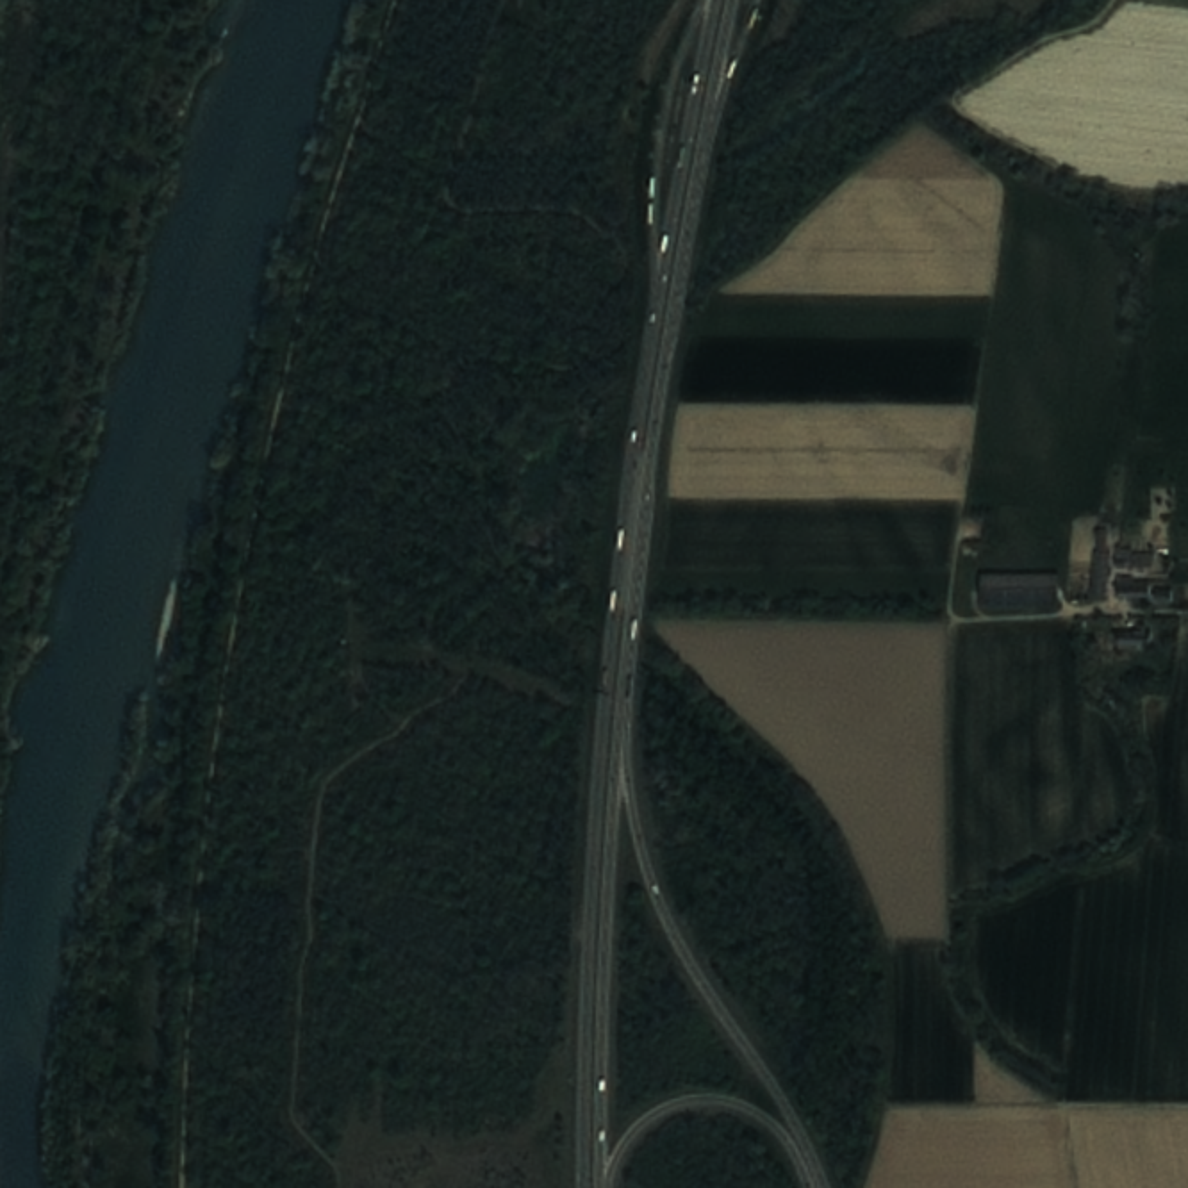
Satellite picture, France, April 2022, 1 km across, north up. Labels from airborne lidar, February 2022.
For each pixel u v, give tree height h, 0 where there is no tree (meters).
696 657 0
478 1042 8
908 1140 0
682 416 0
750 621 0
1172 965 0
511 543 35
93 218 17
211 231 0
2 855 0
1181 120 0
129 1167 0
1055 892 0
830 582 0
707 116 0
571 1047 0
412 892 7
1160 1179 0
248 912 19
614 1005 0
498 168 14
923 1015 0
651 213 0
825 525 0
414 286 10
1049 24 13
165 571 0
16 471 17
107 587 0
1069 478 0
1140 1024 0
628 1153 0
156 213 15
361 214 18
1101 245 0
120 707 0
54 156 18
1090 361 0
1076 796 0
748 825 15
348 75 19
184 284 0
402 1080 20
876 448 0
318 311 21
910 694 0
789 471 0
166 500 0
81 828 0
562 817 17
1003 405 0
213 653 18
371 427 20
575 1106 0
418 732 10
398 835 13
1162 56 0
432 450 21
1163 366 0
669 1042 7
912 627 0
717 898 14
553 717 12
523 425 19
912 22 0
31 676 0
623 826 0
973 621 0
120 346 12
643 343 0
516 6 0
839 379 0
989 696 0
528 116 6
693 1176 7
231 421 12
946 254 0
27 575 15
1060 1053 0
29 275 7
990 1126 0
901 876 0
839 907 24
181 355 0
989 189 0
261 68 0
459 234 18
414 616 16
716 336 0
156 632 0
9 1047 0
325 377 18
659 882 0
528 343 10
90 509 0
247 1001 18
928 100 17
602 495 16
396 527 25
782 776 18
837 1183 0
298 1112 0
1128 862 0
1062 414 0
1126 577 0
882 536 0
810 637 0
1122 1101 0
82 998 18
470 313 6
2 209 0
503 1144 0
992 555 0
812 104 0
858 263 0
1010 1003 0
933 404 0
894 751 0
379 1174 0
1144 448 0
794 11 0
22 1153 0
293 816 7
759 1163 19
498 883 15
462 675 0
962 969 17
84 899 18
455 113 9
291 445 19
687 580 0
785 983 23
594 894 0
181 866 18
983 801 0
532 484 0
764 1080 0
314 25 0
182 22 23
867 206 0
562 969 16
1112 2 0
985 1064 0
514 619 23
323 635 9
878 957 22
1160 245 0
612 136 14
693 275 0
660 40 0
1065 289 0
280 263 17
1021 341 0
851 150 11
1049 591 0
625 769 0
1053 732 0
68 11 7
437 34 18
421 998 11
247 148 0
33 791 0
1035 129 0
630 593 0
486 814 13
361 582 17
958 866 0
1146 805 6
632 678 0
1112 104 0
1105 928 0
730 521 0
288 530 16
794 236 0
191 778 18
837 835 20
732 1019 0
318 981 14
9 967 0
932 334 0
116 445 0
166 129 11
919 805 0
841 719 0
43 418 20
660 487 0
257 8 0
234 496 25
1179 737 0
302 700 11
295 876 14
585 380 17
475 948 8
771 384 0
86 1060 13
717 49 0
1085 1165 0
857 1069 26
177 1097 14
